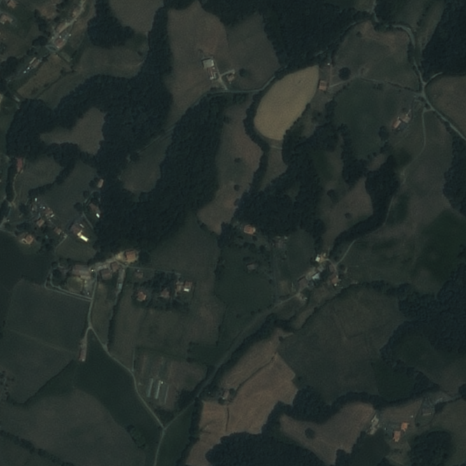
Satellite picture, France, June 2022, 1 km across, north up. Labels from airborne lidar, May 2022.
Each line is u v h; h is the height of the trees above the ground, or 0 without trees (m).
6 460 0
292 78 0
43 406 0
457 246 0
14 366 0
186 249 0
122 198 16
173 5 10
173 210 20
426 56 16
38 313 0
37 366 0
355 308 0
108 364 0
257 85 0
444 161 0
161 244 16
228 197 0
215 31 0
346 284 0
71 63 0
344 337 0
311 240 0
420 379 17
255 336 13
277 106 0
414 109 0
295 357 0
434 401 0
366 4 0
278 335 0
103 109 16
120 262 0
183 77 0
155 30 8
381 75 0
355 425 0
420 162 0
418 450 12
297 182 13
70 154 21
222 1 22
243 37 0
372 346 0
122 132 27
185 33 0
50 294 0
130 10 0
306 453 19
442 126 0
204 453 0
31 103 17
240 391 0
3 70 15
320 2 18
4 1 0
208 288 0
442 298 25
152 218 21
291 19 25
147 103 23
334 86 0
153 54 12
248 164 0
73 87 0
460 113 0
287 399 0
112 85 18
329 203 0
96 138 0
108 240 23
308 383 0
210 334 0
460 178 13
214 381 8
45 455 10
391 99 0
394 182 16
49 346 0
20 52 0
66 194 0
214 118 17
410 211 0
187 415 0
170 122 0
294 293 0
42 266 0
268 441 23
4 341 0
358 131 0
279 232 20
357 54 0
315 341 0
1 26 0
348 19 11
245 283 0
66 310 0
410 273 0
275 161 0
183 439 0
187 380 0
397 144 0
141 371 0
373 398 16
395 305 0
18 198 0
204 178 8
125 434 0
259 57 0
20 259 0
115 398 0
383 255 0
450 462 0
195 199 10
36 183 0
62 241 0
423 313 26
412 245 0
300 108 0
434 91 0
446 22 15
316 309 9
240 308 0
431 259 0
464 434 0
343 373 0
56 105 0
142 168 0
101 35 23
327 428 0
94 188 12
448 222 0
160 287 12
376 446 0
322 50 11
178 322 0
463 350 20
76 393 0
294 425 0
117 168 21
